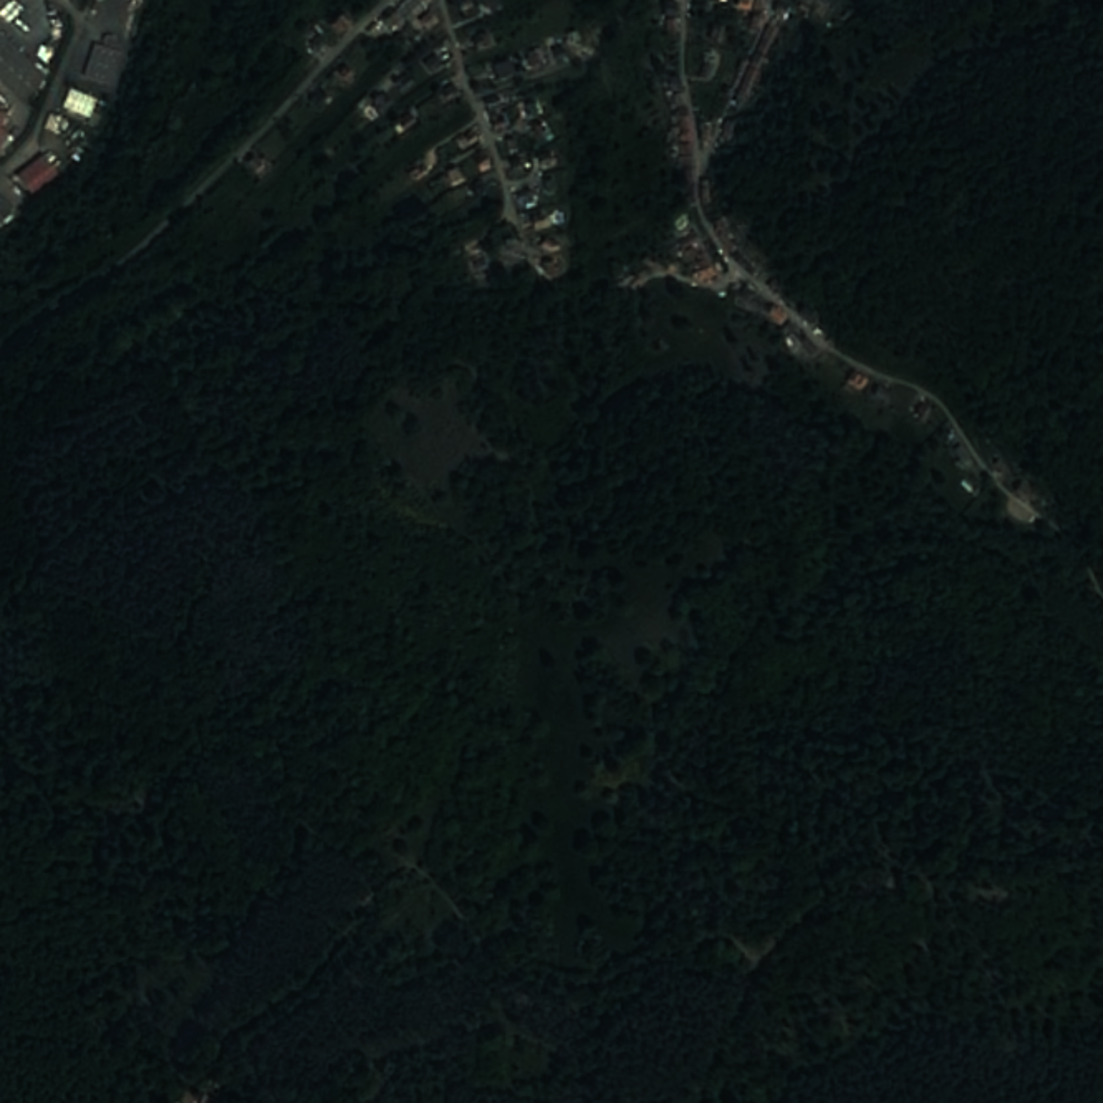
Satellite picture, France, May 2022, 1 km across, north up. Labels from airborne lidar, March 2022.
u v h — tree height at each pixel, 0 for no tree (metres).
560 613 10
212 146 13
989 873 15
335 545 9
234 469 9
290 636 13
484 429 12
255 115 9
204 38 7
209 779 15
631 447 21
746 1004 29
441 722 14
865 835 26
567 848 0
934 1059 25
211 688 12
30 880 20
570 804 0
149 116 17
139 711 19
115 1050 24
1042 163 14
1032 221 15
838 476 9
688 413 10
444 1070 18
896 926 24
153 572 25
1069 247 17
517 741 12
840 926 19
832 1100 27
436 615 8
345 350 23
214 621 15
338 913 20
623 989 15
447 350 12
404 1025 21
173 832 19
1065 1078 28
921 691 25
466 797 11
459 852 9
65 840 28
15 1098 22
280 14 21
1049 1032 21
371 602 8
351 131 0
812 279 14
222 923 8
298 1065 16
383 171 0
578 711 0
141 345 20
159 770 14
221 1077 15
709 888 9
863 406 0
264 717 9
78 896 27
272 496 18
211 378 15
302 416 17
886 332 13
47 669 20
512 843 15
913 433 0
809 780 26
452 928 17
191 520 23
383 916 6
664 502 18
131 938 27
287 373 21
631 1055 29
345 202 12
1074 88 16
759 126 9
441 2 0
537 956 8
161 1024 25
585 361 8
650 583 0
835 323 9
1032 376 18
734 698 21
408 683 14
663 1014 30
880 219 16
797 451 27
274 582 19
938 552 23
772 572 9
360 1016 14
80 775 18
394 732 11
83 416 28
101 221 7
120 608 23
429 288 9
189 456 23
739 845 17
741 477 18
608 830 15
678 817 21
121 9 0
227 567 14
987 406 15
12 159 0
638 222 0
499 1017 0
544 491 0
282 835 11
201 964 21
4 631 20
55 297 8
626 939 0
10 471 18
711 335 0
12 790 27
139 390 26
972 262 14
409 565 7
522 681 0
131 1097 20
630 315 16
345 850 14
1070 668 15
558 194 0
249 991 25
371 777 12
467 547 9
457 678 11
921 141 16
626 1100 31
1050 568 24
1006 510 0
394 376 13
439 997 25
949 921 22
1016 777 16
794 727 11
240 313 26
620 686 14
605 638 0
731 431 18
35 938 22
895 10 18
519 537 23
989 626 12
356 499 6
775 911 16
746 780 19
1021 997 26
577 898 0
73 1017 21
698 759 19
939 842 23
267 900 22
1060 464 22
